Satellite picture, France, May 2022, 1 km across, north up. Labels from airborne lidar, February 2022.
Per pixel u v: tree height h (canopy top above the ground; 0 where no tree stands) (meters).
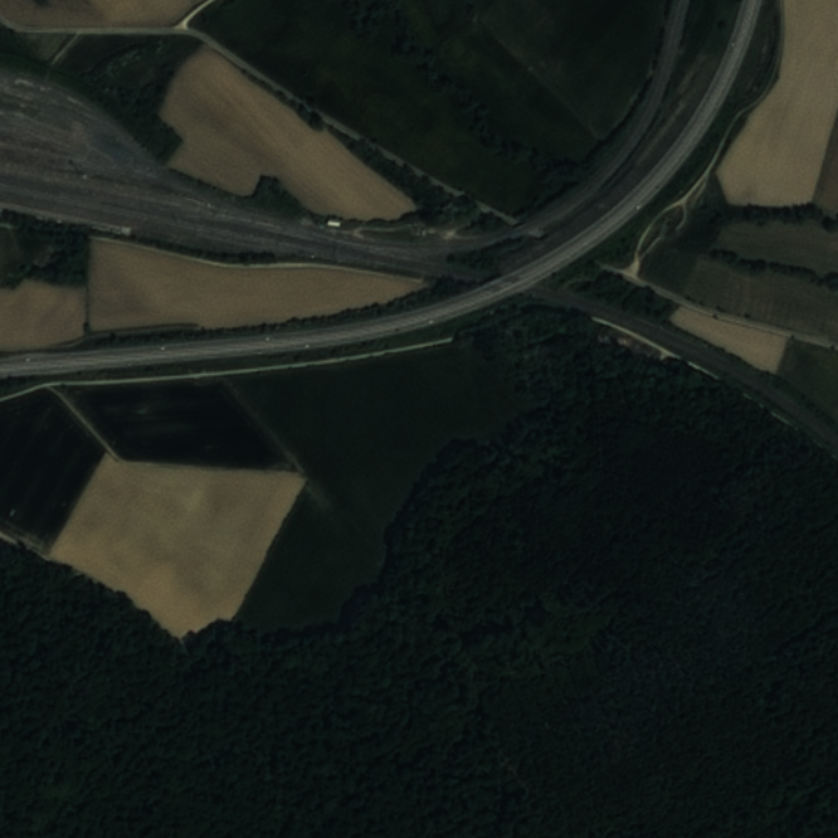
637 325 0
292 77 0
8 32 6
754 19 0
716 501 26
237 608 0
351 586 0
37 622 24
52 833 25
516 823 29
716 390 16
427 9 0
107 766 25
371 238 0
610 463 18
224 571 0
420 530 28
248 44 0
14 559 27
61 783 28
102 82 6
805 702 25
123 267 0
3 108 0
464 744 25
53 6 0
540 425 25
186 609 0
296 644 17
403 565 28
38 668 30
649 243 0
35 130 0
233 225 0
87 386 0
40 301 0
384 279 0
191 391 0
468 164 0
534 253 0
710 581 18
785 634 16
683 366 12
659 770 16
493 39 0
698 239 0
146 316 0
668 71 0
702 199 0
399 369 0
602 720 18
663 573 11
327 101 0
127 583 0
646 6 0
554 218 0
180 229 0
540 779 11
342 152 0
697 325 0
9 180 0
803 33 0
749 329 0
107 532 0
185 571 0
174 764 31
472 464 22
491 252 8
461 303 0
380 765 25
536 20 0
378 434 0
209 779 32
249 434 0
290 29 0
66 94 0
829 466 17
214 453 0
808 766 21
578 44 0
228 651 24
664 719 13
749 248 0
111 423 0
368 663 26
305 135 0
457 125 0
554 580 16
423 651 27
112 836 20
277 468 0
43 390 0
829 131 0
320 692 26
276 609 0
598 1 0
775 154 0
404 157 0
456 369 0
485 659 28
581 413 23
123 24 0
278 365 0
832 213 0
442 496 27
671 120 0
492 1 0
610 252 5
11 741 24
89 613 25
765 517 15
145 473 0
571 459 25
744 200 0
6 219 9
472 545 9
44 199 0
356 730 29
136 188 0
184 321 0
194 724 27
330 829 30
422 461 0
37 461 0
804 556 17
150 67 0
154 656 27
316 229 0
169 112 0
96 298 0
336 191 0
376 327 0
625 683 16
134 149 0
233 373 0
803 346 0
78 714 25
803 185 0
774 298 0
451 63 0
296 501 0
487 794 27
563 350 16
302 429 0
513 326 8
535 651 0
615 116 0
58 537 0
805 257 0
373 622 27
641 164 0
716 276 0
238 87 0
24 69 0
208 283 0
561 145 0
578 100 0
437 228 0
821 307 0
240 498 0
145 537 0
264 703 27
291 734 29
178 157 0
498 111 0
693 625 15
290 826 29
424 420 0
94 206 0
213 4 0
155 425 0
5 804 27
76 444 0
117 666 28
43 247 0
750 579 18
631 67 0
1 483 0
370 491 0
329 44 0
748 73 0
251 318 0
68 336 0
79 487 0
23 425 0
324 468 0
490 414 0
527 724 19
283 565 0
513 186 0
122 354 0
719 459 17
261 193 7
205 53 0
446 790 31
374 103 0
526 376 7
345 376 0
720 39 0
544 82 0
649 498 17
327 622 0
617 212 0
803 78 0
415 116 0
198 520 0
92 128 0
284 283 0
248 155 0
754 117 0
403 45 16
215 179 0
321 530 0
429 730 26
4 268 0
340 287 0
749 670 21
